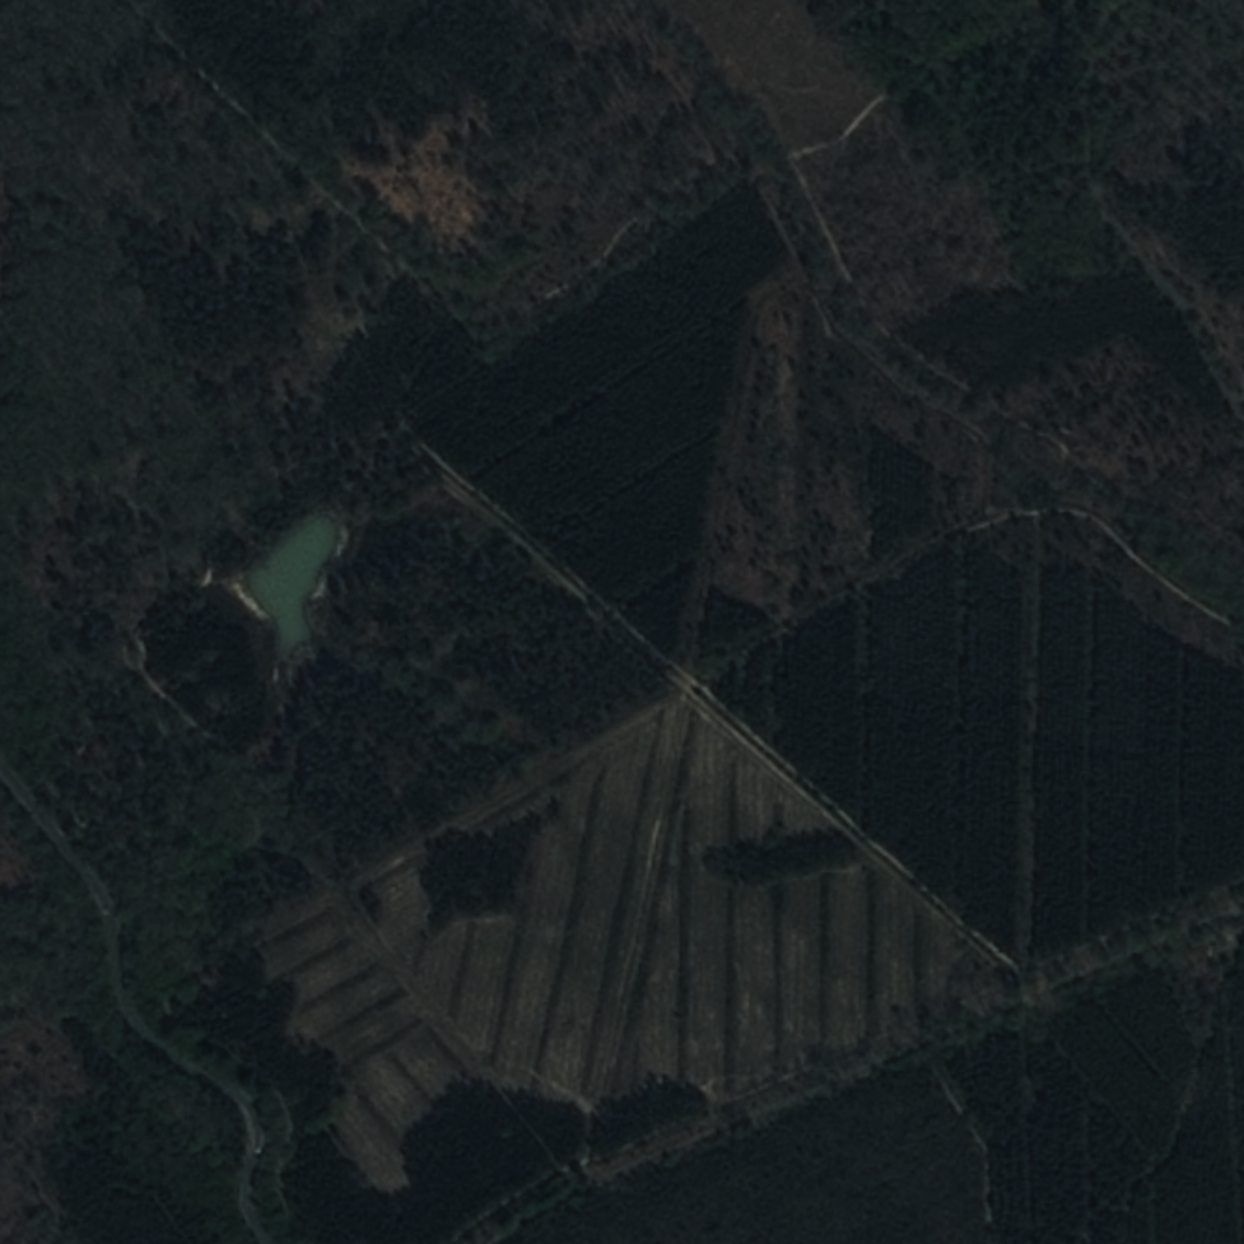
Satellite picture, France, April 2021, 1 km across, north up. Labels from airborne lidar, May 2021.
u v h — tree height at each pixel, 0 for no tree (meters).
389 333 19
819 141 0
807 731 14
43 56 15
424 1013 0
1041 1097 7
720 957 0
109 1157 15
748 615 13
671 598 13
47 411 16
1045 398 11
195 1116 12
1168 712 14
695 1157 7
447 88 17
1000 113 28
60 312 18
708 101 14
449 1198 11
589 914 0
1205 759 14
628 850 0
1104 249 21
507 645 10
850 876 0
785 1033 0
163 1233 12
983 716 14
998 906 13
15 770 13
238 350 27
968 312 9
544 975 0
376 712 25
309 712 21
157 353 19
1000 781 13
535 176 10
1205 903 12
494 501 12
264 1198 16
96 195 13
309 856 16
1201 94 11
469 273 23
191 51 18
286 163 14
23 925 19
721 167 12
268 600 0
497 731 15
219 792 21
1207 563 17
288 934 0
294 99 13
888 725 14
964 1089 6
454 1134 11
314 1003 0
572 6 15
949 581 12
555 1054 0
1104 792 11
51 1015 14
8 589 19
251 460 22
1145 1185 13
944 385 10
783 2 0
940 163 14
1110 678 12
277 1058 11
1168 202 13
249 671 11
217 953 22
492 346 17
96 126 13
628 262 16
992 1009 18
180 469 14
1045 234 17
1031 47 15
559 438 12
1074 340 10
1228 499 6
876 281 12
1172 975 9
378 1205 11
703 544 13
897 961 0
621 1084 0
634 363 14
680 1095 14
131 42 14
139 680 12
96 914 15
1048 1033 12
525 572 20
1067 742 12
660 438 13
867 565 6
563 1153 10
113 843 24
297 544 0
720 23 0
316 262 25
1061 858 14
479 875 10
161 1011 15
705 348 15
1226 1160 13
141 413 15
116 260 16
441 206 0
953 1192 6
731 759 0
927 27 21
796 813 0
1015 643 14
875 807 13
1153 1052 14
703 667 7
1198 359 12
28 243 26
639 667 16
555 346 14
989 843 12
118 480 14
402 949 0
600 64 10
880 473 10
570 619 18
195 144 12
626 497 14
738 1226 11
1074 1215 18
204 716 12
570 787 0
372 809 18
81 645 14
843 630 14
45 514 11
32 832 20
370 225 19
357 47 12
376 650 10
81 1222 11
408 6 11
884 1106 12
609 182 18
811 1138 9
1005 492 12
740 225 16
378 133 13
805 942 0
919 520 11
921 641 12
